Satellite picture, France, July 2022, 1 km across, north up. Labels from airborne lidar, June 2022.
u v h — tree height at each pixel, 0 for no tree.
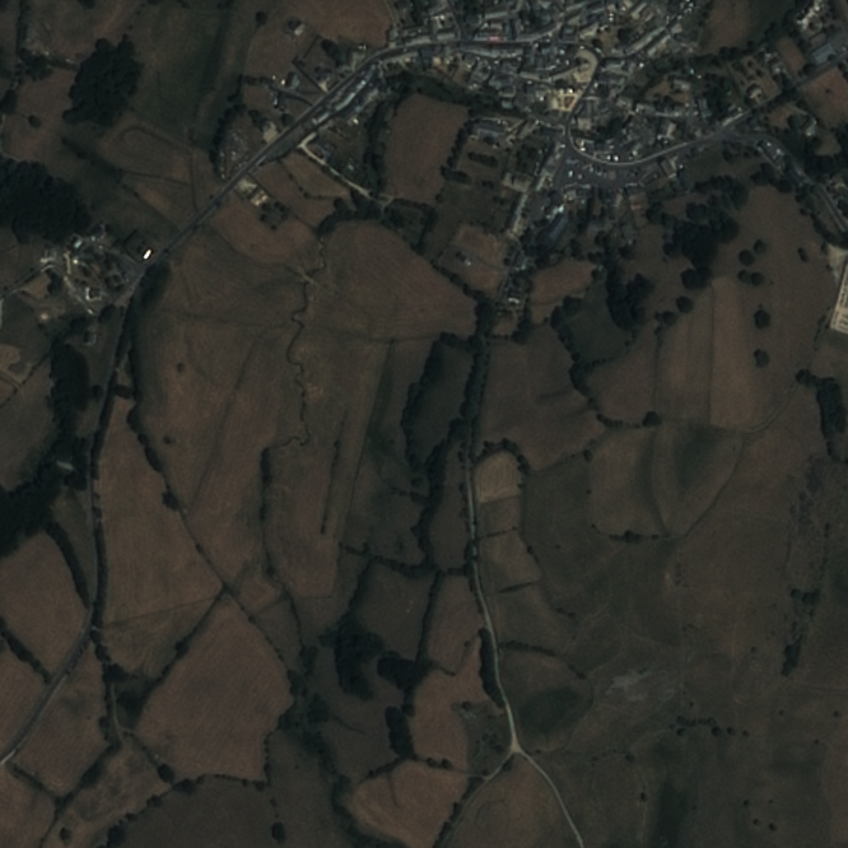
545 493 0
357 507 0
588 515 0
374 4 0
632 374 0
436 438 0
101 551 13
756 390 0
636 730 0
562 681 0
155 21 0
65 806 5
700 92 0
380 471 0
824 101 0
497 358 0
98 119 21
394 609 0
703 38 0
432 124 0
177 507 26
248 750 0
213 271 0
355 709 0
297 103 0
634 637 0
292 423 0
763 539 0
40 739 0
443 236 0
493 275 0
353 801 0
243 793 0
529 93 0
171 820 0
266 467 8
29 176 16
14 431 0
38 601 0
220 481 0
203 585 0
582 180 0
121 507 0
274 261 0
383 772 7
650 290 20
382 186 8
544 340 0
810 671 0
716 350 0
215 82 0
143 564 0
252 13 0
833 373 0
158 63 0
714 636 0
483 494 0
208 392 0
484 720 0
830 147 0
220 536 0
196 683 0
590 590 0
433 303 0
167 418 0
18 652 11
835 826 0
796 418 0
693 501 0
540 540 0
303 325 0
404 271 0
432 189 0
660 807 0
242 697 0
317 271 0
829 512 0
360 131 0
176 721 0
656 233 0
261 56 0
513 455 7
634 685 0
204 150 0
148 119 0
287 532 0
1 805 0
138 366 11
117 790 0
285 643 0
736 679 0
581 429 0
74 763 0
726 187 19
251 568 0
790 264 0
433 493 10
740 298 0
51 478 26
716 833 0
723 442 0
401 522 0
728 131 0
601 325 0
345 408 0
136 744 0
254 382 0
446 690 0
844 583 0
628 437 0
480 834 0
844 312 0
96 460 13
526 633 0
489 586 0
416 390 9
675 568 0
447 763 12
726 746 0
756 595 0
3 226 12
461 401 0
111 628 0
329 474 0
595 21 0
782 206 0
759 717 0
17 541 16
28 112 0
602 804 0
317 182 0
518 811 0
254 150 0
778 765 0
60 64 6
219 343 0
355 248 0
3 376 0
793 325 0
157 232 0
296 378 0
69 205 30
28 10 7
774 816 0
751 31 0
